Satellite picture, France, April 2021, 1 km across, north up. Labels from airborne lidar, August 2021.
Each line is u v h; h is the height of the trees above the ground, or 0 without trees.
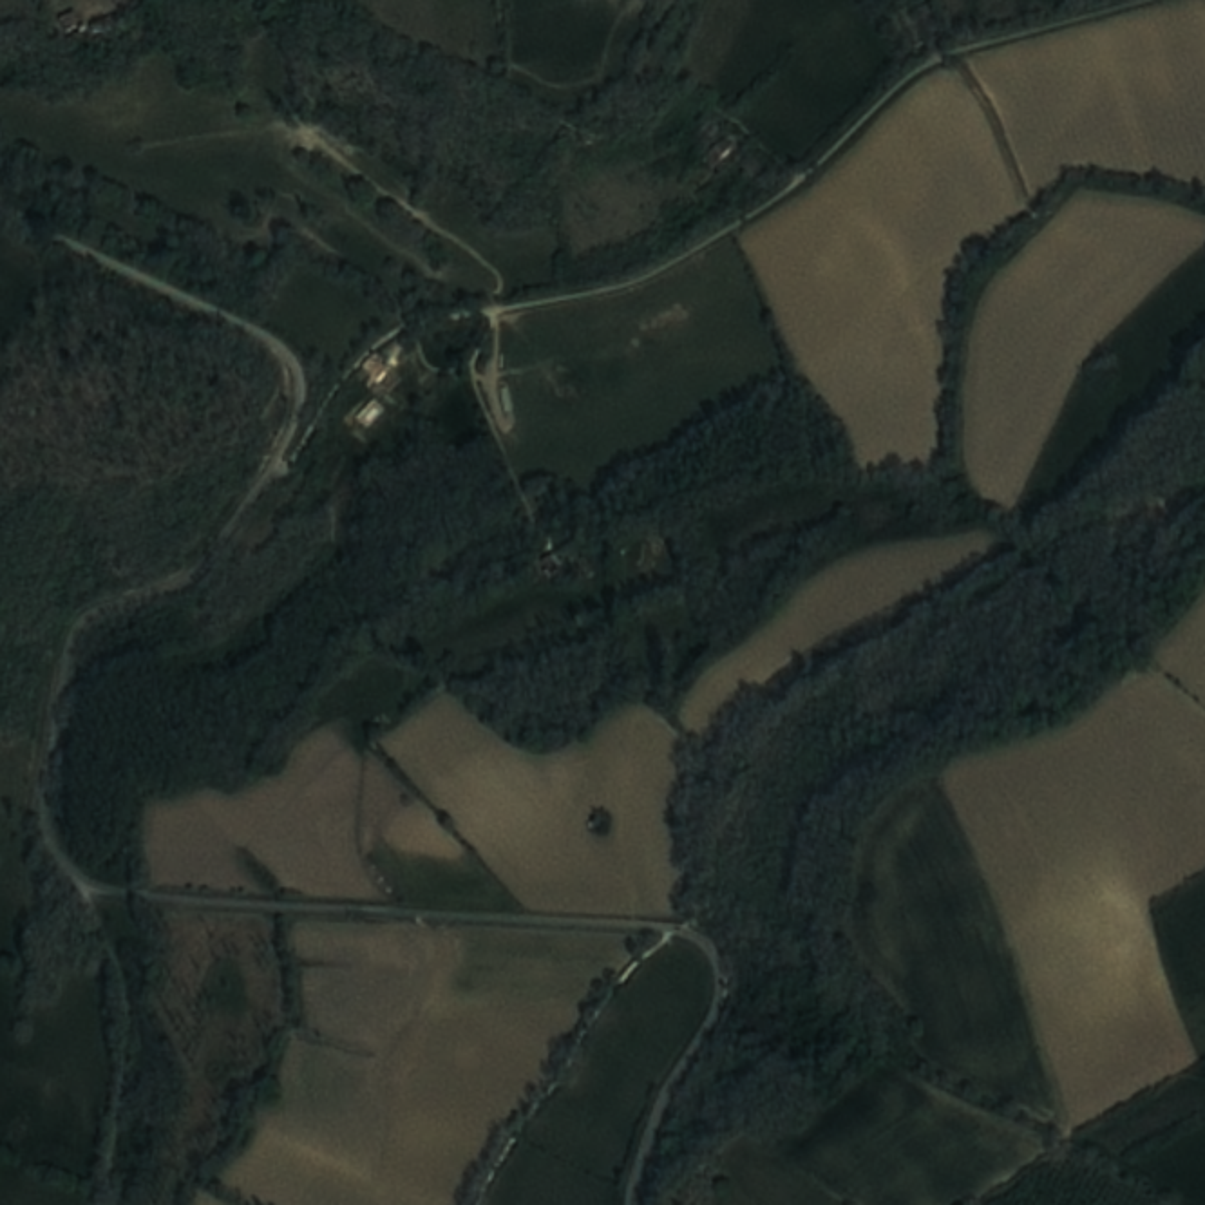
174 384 21
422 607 26
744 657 0
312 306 0
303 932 0
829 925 12
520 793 0
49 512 22
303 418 13
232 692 22
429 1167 0
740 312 0
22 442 19
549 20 0
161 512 20
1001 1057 0
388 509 22
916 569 0
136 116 0
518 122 18
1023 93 0
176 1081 23
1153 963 0
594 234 0
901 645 15
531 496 17
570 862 0
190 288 11
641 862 0
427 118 21
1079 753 0
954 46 16
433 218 0
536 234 15
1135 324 0
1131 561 14
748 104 12
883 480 13
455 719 0
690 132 7
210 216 0
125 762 37
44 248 15
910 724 18
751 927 19
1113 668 19
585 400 0
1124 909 0
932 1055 0
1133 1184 8
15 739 21
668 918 0
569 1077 14
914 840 0
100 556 13
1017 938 0
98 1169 15
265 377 16
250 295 18
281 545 17
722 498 19
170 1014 16
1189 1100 0
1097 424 0
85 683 19
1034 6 0
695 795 18
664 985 0
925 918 0
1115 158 0
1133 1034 0
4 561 20
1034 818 0
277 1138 0
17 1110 0
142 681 33
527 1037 0
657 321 0
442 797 0
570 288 8
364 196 20
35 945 23
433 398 15
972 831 0
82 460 18
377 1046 0
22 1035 15
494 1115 0
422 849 0
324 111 8
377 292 20
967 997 0
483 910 0
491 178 19
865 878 0
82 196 19
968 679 20
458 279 0
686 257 14
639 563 0
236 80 21
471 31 0
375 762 0
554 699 26
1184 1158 0
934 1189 0
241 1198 13
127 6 6
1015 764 0
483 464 21
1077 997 0
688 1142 12
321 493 7
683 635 11
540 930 0
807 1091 18
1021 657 23
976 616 19
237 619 25
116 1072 10
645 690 18
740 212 20
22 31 18
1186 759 0
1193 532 16
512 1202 0
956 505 11
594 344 0
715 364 0
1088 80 0
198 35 19
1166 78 0
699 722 0
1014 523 18
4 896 0
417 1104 0
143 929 20
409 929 0
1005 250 16
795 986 13
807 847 17
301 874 0
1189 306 0
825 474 17
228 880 0
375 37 14
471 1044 0
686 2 16
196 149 0
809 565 17
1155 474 19
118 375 23
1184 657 0
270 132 0
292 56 24
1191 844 0
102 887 0
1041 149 0
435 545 24
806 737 11
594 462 0
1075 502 24
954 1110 0
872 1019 20
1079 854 0
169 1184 22
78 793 36
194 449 17
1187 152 0
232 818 0
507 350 0
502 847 0
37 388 16
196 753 35
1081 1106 0
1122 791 0
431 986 0
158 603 15
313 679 20
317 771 0
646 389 0
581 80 0
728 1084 12
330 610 22
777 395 18
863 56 0
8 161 16
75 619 14
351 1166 0
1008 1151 0
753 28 0
